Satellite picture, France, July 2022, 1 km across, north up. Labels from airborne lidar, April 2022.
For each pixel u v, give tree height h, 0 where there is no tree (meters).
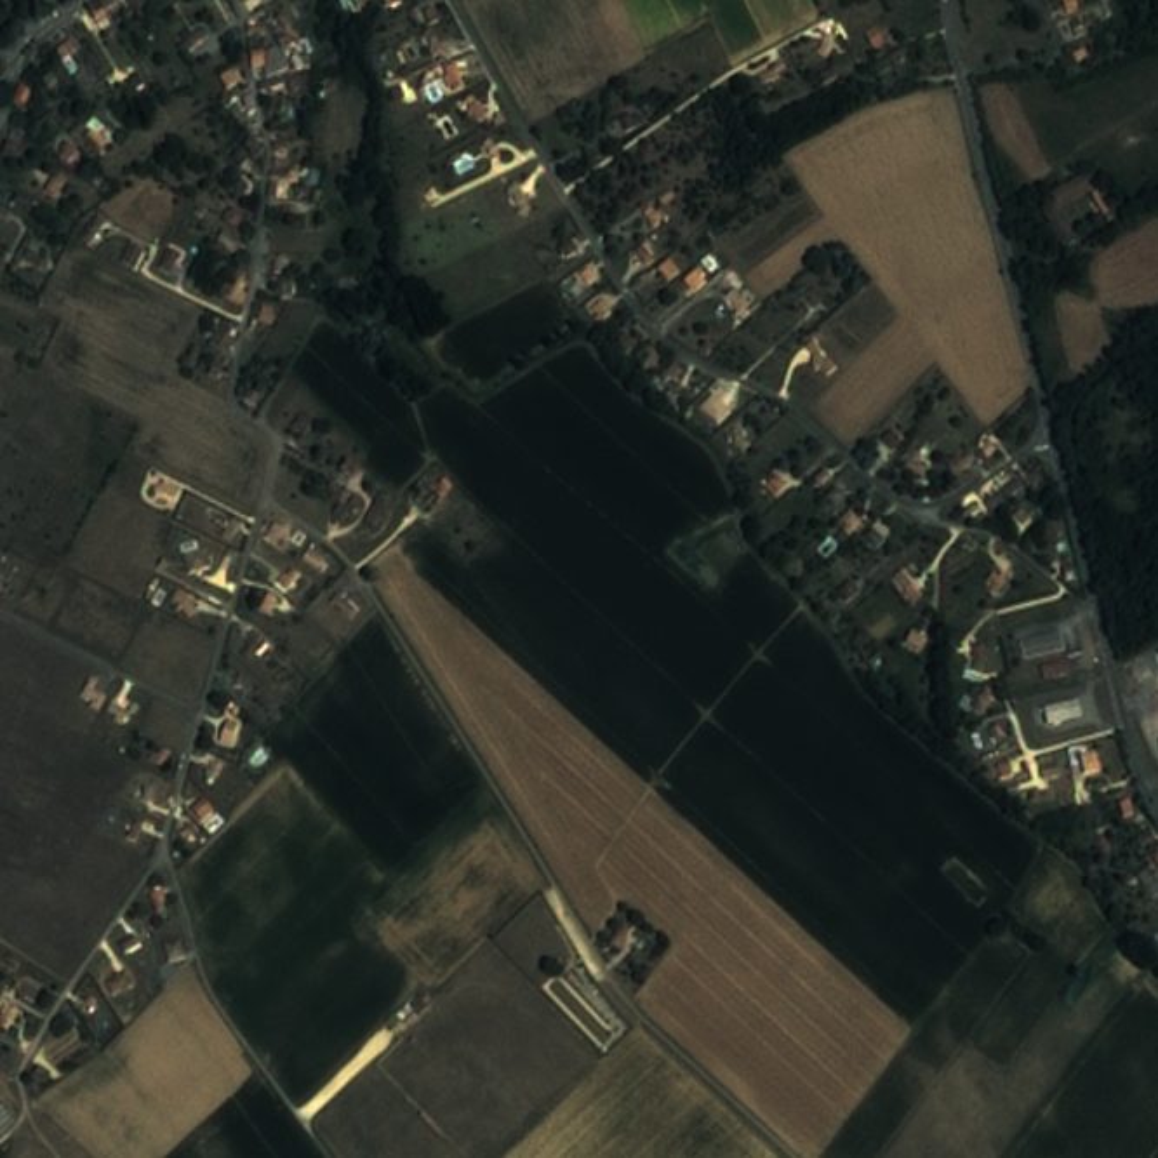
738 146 8
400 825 0
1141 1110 0
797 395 0
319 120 0
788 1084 0
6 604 0
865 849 0
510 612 0
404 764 0
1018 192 7
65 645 0
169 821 0
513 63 0
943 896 0
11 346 0
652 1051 0
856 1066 0
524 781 0
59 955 0
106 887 0
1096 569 13
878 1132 0
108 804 0
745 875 0
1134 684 0
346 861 0
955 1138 0
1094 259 0
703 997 0
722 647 0
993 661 0
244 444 0
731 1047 0
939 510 0
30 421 0
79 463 0
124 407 0
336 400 0
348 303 33
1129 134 0
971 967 0
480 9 0
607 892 0
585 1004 0
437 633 0
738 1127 0
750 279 0
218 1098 0
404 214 0
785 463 12
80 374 0
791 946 0
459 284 0
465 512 0
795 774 0
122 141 7
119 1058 0
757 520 7
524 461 0
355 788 0
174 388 0
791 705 0
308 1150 0
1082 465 7
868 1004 0
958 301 0
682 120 6
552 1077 0
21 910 0
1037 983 0
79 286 0
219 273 6
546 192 0
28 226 7
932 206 0
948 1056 0
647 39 0
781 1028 0
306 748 0
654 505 0
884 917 0
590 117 11
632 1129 0
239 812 0
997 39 0
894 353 0
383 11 12
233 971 0
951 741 16
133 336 0
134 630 0
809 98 7
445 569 0
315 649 0
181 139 8
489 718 0
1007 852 0
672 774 0
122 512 0
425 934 0
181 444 0
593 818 0
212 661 0
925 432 0
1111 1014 0
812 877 0
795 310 7
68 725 0
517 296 0
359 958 0
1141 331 29
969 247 0
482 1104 0
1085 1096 0
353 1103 0
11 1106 0
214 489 0
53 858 0
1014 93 0
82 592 0
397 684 0
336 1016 0
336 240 0
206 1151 0
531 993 0
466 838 0
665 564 0
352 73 6
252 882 0
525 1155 0
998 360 0
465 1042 0
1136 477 8
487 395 0
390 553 0
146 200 0
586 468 0
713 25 0
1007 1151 0
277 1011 0
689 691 0
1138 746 0
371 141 13
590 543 0
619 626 0
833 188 0
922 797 0
